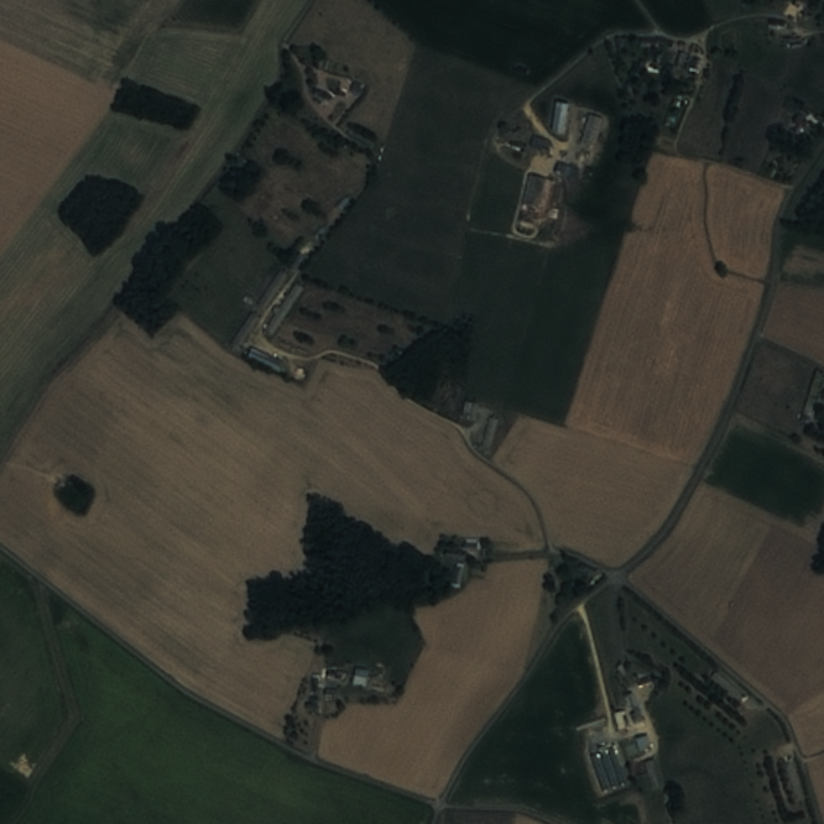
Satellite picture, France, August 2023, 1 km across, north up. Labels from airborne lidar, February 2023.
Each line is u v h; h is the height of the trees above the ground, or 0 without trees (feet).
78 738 0
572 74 0
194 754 0
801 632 0
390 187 0
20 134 0
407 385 32
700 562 0
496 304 0
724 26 0
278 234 0
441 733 0
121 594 0
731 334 0
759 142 0
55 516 0
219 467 0
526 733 0
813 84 0
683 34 0
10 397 0
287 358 0
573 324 0
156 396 0
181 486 0
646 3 0
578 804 0
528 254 0
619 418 0
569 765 0
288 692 0
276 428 0
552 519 0
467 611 0
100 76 0
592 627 0
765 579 0
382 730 0
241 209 0
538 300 0
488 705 0
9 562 0
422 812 0
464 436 0
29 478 0
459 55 0
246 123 0
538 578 0
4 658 0
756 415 0
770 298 0
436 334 35
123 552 0
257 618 48
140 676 0
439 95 0
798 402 0
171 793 0
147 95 29
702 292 0
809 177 0
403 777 0
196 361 0
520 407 0
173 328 0
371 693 0
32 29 0
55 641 0
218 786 0
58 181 0
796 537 0
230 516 0
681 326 0
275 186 0
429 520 0
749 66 0
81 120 0
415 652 0
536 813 0
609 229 0
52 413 0
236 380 0
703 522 0
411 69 0
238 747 0
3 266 0
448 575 26
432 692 0
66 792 0
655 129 29
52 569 0
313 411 0
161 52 0
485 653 0
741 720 30
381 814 0
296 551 0
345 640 0
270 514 0
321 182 0
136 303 40
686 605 0
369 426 0
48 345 0
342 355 0
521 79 0
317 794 0
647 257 0
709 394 0
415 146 0
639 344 0
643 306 0
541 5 0
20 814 0
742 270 0
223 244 0
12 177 0
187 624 0
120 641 0
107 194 56
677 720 0
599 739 0
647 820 0
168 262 63
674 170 0
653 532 0
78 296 0
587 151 0
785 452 0
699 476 0
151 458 0
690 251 0
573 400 0
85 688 0
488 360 0
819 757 0
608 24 0
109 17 0
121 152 0
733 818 0
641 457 0
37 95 0
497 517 0
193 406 0
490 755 0
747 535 0
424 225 0
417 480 0
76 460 0
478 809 0
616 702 0
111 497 0
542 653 0
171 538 0
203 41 0
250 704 0
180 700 0
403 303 0
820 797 0
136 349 0
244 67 0
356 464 0
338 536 31
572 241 0
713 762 0
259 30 0
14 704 0
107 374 0
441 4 0
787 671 0
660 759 0
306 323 0
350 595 69
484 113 0
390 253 0
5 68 0
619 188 0
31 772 0
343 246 0
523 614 0
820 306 0
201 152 0
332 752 0
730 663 0
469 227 0
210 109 0
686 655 0
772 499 0
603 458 0
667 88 42
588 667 0
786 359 0
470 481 0
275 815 0
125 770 0
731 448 0
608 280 0
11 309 0
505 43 0
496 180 0
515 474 0
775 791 37
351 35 0
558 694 0
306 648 0
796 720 0
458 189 0
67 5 0
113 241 42
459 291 0
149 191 0
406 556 66
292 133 0
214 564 0
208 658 0
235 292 0
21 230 0
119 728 0
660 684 26
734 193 0
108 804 0
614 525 0
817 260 0
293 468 0
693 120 0
